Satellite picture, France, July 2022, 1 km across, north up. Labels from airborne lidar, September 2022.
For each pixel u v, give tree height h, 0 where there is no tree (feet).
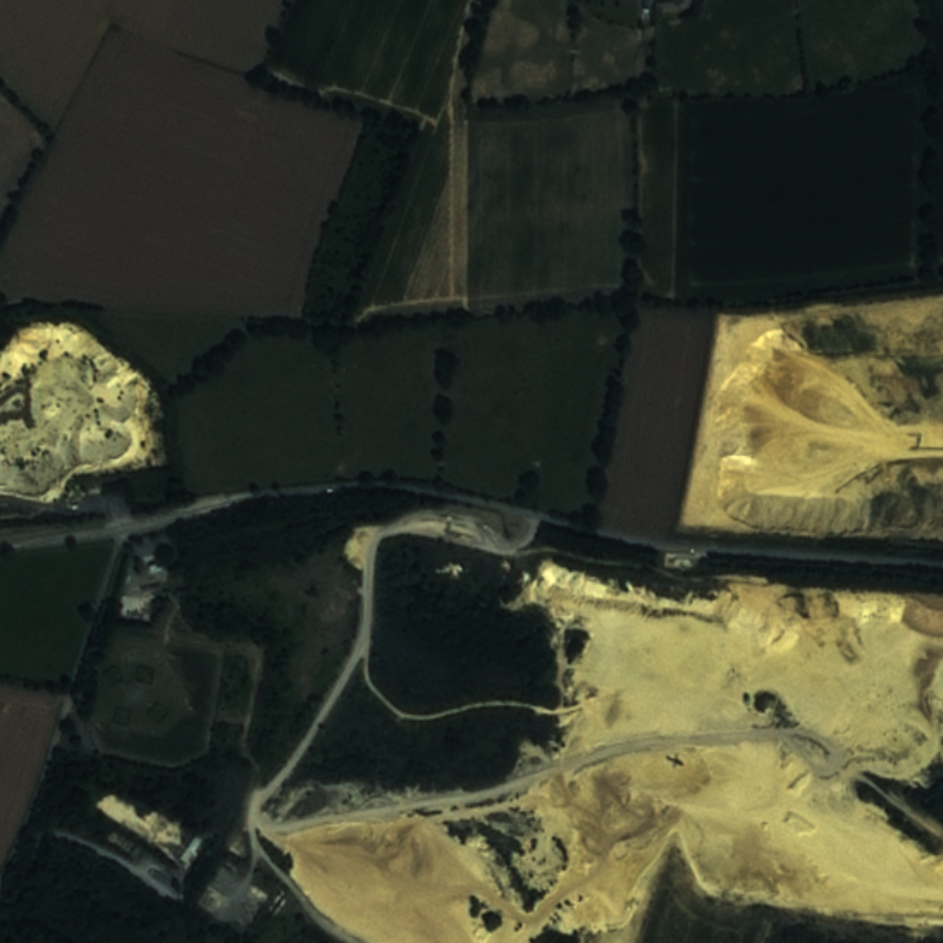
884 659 0
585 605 0
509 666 26
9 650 0
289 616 0
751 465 0
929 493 0
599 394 0
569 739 0
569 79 0
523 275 0
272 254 0
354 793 0
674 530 0
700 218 0
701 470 0
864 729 0
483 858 0
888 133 0
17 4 0
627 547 49
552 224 0
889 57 0
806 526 0
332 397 0
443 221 0
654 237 0
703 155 0
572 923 0
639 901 0
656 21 23
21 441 0
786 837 0
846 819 0
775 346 0
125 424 0
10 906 58
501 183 0
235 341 55
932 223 46
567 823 0
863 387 0
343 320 27
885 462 0
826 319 0
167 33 0
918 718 0
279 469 0
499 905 0
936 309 0
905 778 0
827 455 0
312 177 0
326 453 0
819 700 0
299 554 22
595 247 0
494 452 0
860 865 0
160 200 0
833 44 0
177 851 0
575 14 63
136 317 0
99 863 41
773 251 0
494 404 0
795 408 0
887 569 35
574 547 31
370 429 0
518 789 0
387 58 0
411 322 30
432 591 27
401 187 27
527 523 0
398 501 46
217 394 0
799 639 0
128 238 0
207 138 0
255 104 0
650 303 39
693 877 0
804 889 0
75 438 0
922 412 0
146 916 31
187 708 0
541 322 53
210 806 23
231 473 0
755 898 0
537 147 0
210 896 0
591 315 29
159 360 0
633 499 0
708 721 0
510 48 0
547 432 0
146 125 0
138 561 36
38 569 0
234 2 0
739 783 0
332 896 0
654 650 0
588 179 0
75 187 0
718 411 0
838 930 0
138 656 0
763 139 0
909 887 0
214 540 26
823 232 0
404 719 0
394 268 0
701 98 22
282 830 0
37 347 0
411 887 0
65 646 0
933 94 39
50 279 0
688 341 0
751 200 0
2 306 38
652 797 0
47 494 0
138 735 0
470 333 0
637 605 0
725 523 0
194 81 0
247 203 0
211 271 0
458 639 47
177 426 0
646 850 0
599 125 0
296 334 48
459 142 0
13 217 48
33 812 24
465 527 0
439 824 0
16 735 0
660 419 0
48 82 0
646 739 0
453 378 43
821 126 0
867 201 0
